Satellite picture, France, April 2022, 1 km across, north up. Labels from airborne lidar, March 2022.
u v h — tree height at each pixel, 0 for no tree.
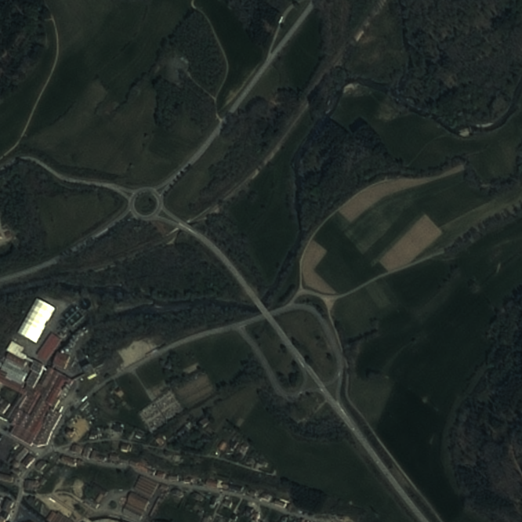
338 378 0
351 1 17
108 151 0
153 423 0
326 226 0
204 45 19
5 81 14
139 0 15
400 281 0
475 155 0
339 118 0
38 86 0
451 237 0
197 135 0
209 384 0
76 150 0
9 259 15
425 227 0
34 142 0
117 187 0
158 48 0
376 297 0
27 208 24
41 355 0
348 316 0
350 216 0
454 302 0
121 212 0
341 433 19
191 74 16
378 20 0
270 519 0
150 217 0
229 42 0
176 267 14
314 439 18
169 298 18
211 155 0
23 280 0
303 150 0
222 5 0
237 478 6
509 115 0
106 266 0
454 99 18
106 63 0
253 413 0
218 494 0
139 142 0
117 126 0
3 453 0
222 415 0
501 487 27
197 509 0
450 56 21
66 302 0
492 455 30
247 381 20
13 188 22
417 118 0
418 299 0
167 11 0
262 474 7
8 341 0
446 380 0
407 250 0
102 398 0
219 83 16
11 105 0
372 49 0
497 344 14
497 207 0
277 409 18
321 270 0
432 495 0
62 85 0
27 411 0
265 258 0
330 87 23
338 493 0
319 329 0
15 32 8
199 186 0
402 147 0
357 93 0
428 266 0
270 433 0
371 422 0
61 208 0
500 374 14
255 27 23
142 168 0
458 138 0
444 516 0
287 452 0
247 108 0
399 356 0
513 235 0
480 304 0
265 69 0
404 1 13
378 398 0
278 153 0
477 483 22
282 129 10
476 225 0
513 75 15
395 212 0
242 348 0
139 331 11
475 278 0
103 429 7
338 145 29
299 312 0
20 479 0
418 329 0
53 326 0
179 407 0
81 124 0
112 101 0
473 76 19
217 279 9
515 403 26
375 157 19
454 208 0
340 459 0
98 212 0
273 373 0
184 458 16
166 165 0
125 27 0
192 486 0
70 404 0
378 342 0
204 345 0
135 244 19
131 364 0
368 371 0
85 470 0
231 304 0
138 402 0
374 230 0
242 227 0
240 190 0
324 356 0
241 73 0
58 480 0
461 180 0
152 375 0
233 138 23
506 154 0
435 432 0
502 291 0
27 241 20
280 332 0
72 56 0
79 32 0
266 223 0
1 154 0
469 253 0
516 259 0
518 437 25
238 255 14
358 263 0
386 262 0
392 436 0
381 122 0
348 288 0
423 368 0
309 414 0
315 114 22
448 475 0
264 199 0
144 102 0
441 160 0
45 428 0
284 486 21
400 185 0
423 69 22
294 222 13
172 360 11
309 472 0
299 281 0
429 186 0
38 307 0
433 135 0
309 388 0
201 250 10
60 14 0
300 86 0
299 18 0
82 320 0
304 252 0
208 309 15
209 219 13
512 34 16
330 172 22
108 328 18
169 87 17
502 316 11
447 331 0
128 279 19
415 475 0
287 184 0
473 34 11
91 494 19
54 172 0
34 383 0
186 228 0
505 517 30
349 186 18
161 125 20
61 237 0
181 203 0
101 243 14
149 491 0
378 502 0
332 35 20
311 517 0
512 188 22
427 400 0
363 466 0
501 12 17
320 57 0
